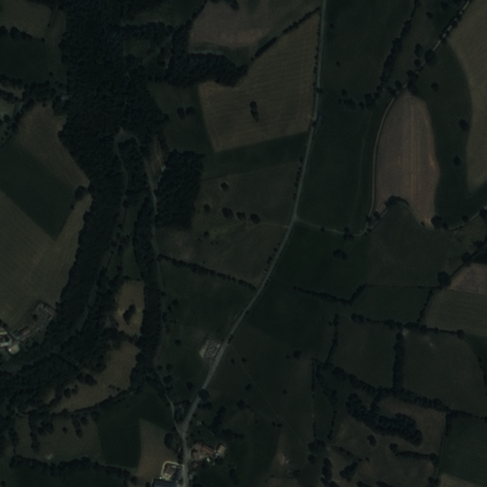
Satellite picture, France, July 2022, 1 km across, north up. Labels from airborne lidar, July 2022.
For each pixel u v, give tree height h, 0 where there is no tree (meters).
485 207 0
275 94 0
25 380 17
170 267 0
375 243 0
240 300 0
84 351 19
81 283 11
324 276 0
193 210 14
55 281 0
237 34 0
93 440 0
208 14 0
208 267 0
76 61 17
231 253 0
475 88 0
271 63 0
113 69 25
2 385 16
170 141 0
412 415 0
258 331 0
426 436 0
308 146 0
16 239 0
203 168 16
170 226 20
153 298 17
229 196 0
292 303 0
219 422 22
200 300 0
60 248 0
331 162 0
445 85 0
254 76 0
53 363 19
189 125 0
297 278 0
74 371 15
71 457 0
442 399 0
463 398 0
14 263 0
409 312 0
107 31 27
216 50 0
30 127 0
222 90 0
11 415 16
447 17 0
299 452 0
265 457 0
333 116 0
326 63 0
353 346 0
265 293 0
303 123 0
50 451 0
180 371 0
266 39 0
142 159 14
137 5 21
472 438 0
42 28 0
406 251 0
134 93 25
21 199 0
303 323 0
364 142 0
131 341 11
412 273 0
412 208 0
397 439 0
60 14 0
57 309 8
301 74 0
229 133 0
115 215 13
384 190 0
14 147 0
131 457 0
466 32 0
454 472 0
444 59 0
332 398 14
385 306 0
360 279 0
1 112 0
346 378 19
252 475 0
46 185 0
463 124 18
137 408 0
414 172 0
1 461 0
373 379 0
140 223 15
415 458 16
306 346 0
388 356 0
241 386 0
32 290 0
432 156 0
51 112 0
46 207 0
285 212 0
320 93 18
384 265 0
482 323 0
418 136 0
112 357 0
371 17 0
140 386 17
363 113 0
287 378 0
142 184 18
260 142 0
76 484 0
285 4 0
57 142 0
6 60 0
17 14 0
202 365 0
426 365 0
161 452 0
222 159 0
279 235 0
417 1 13
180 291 0
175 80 26
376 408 19
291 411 0
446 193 0
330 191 0
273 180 0
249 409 6
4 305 0
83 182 0
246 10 0
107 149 30
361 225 0
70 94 15
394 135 0
